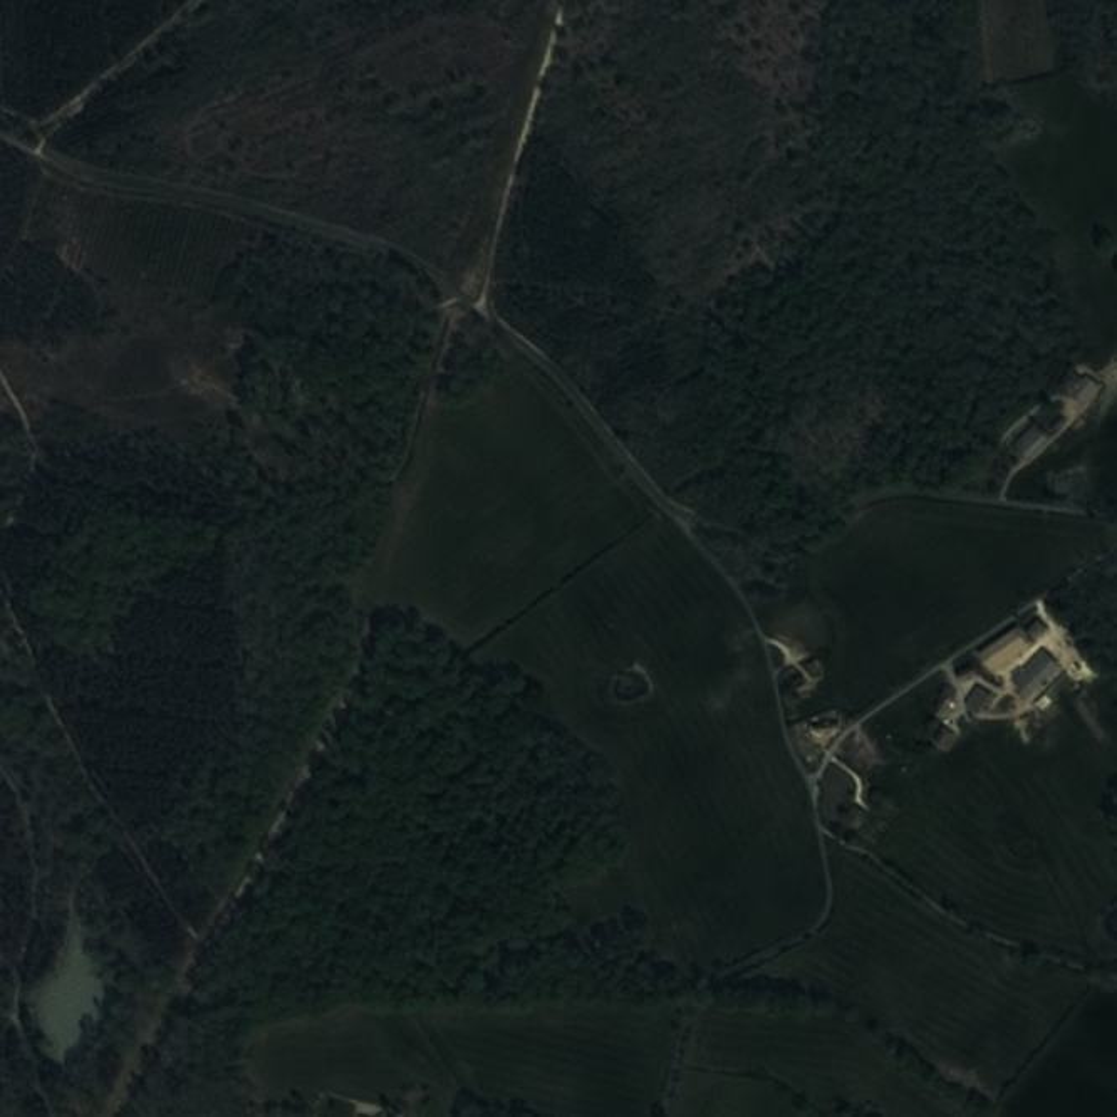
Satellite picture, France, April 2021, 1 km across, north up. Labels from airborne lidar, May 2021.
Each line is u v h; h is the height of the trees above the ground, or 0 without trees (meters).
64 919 15
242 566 15
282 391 27
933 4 28
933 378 13
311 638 27
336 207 7
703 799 0
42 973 19
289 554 18
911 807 0
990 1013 0
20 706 27
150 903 14
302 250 7
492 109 10
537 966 30
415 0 7
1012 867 0
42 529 13
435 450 0
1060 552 0
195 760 18
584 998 22
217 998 29
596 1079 0
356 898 23
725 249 9
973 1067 0
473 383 26
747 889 0
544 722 20
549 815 25
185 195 0
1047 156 0
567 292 9
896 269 20
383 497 9
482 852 29
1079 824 0
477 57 0
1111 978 18
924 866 0
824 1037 0
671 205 9
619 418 7
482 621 0
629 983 21
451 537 0
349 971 30
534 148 12
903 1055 14
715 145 14
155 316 0
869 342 22
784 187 9
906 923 0
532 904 30
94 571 25
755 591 15
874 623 0
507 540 0
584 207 13
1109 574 9
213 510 16
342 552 22
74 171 0
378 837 28
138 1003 17
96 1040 18
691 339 12
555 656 0
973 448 16
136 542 23
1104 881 0
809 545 17
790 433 25
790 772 0
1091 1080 0
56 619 15
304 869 25
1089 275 0
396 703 22
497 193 0
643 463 7
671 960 0
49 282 12
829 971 0
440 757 30
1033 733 0
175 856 18
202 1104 18
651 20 9
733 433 26
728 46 8
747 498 18
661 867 0
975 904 0
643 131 7
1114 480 0
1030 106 0
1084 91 0
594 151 8
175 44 9
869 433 18
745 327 21
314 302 15
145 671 17
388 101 7
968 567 0
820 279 22
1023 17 0
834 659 0
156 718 15
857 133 24
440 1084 0
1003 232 20
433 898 30
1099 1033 0
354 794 27
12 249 15
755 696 0
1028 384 16
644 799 0
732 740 0
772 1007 21
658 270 7
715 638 0
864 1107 8
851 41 23
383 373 29
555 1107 0
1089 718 0
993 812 0
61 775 21
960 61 13
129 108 10
